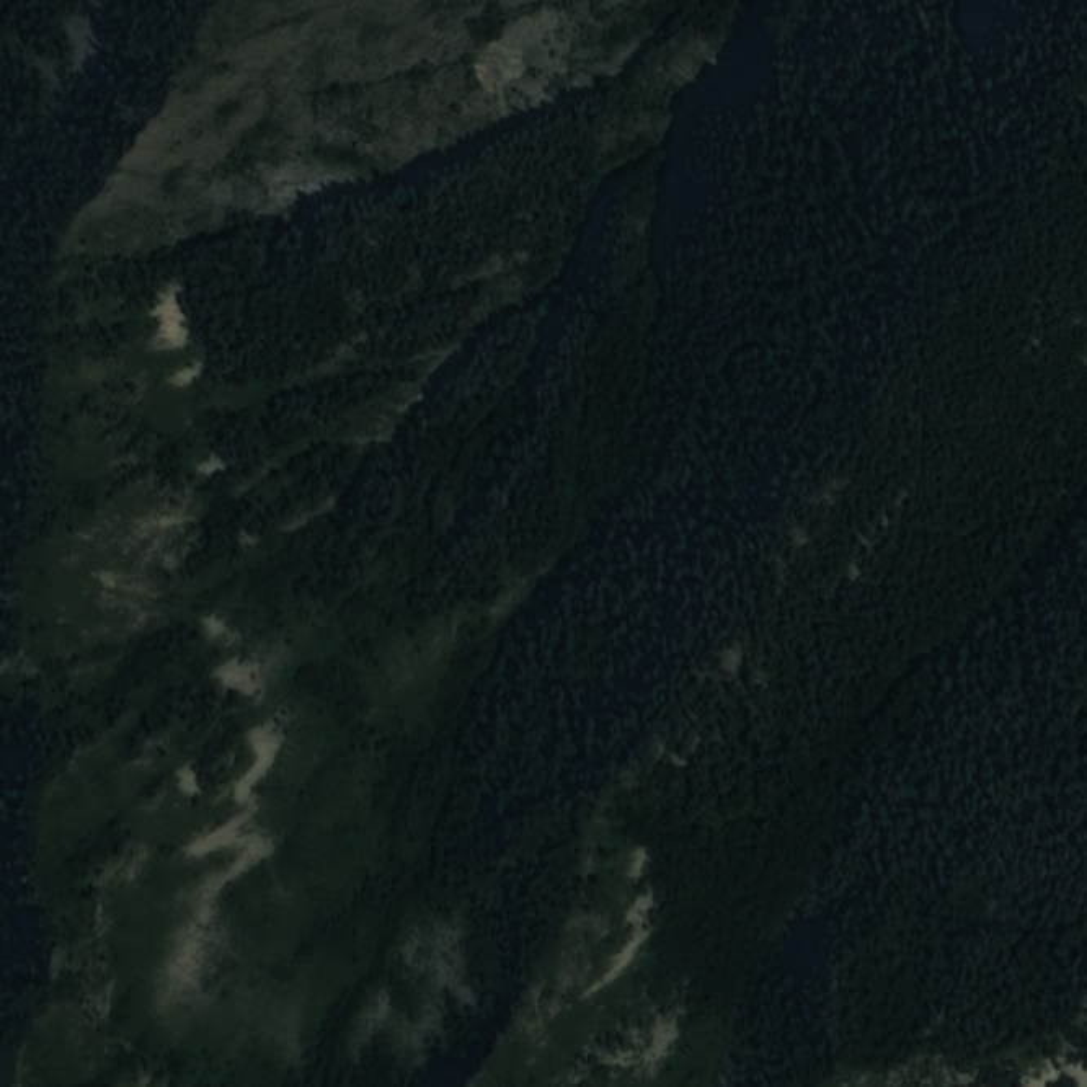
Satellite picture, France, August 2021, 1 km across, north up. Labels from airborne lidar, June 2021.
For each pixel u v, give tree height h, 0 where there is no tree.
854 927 7
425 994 0
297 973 0
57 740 11
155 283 18
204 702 7
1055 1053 9
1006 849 30
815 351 12
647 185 11
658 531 8
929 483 20
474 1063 6
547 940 10
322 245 26
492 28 15
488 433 15
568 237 12
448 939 0
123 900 0
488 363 28
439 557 12
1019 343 15
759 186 14
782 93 26
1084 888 32
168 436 6
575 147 11
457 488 8
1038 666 26
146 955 0
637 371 7
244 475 13
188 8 19
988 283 21
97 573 0
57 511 6
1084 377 14
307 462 10
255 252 7
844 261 15
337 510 6
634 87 9
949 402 25
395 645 0
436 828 8
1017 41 30
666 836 8
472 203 17
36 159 11
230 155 9
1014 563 16
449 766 6
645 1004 0
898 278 20
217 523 10
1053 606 15
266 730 0
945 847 14
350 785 0
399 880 6
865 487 24
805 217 17
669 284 12
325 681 7
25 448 7
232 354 14
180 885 0
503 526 16
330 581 9
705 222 20
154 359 0
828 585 12
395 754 10
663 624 9
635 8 9
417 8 0
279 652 0
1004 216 20
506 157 10
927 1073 7
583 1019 0
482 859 10
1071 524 7
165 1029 0
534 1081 8
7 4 12
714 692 26
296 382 0
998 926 9
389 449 6
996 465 23
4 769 6
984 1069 8
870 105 8
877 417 24
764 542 20
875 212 9
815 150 30
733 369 13
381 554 7
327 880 0
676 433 19
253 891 0
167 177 6
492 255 11
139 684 8
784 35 12
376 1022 0
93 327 7
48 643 0
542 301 23
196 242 8
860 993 10
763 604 22
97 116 10
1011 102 29
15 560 7
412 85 7
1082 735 14
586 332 24
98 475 0
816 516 11
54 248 13
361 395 14
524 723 8
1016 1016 16
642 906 0
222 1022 0
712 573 31
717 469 11
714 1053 0
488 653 6
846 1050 11
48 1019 0
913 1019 8
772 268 33
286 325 22
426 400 6
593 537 8
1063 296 24
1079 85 24
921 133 17
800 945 6
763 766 12
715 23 10
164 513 0
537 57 0
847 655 11
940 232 19
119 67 11
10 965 8
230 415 8
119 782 0
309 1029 0
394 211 11
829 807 10
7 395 13
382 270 11
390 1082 6
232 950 0
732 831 11
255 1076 0
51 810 0
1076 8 30
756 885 7
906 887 7
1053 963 7
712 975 10
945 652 12
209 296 17
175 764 0
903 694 14
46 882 0
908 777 27
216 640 0
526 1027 0
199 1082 0
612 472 7
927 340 17
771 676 12
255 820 0
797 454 8
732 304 25
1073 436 14
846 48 21
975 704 18
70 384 0
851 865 20
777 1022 6
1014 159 24
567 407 27
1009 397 18
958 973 12
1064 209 30
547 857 12
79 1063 0
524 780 7
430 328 39
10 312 7
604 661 7
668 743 11
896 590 12
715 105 10
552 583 7
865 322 16
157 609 0
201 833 0
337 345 9
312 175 0
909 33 36
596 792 10
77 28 0
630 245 10
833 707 30
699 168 18
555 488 24
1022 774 26
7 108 9
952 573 20
